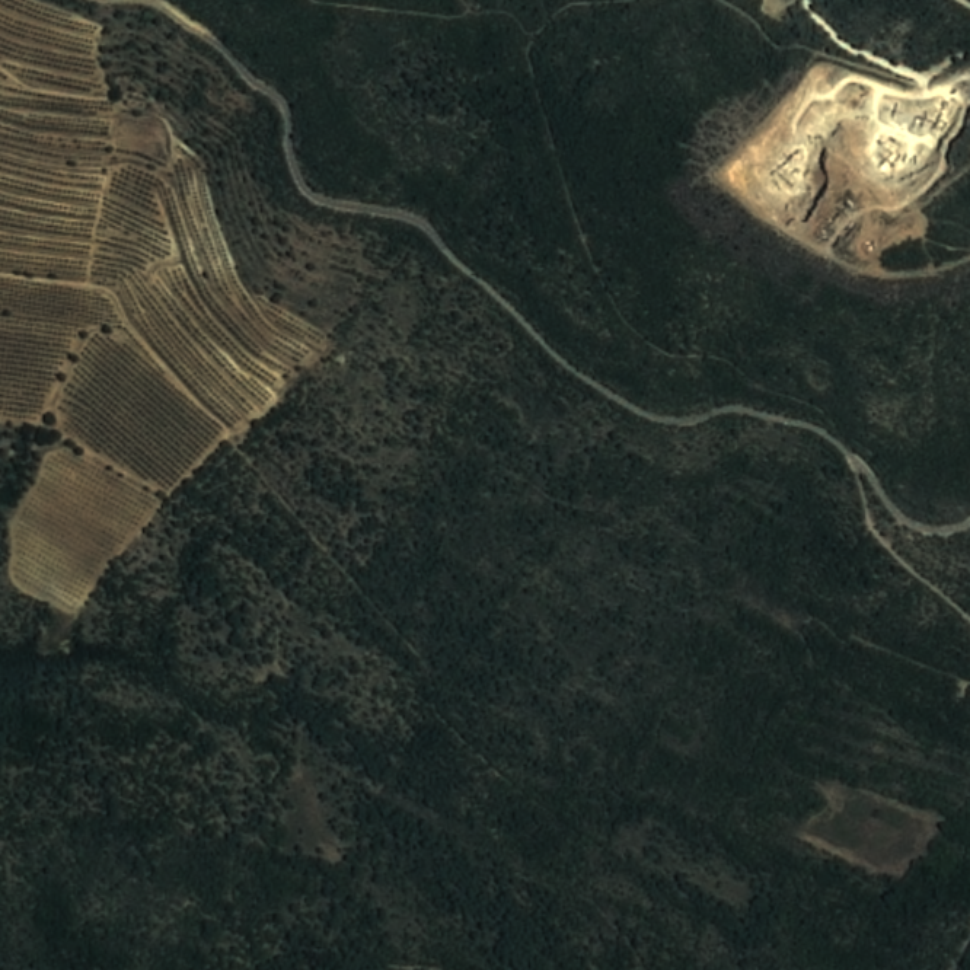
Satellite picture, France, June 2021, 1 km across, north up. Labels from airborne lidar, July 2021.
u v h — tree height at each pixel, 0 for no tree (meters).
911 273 0
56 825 6
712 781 6
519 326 6
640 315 8
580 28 9
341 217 7
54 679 12
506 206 9
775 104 0
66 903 6
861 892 8
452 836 15
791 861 9
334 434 8
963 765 6
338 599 7
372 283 6
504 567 11
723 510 8
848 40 7
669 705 6
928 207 0
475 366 6
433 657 7
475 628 6
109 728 6
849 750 7
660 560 6
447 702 8
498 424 6
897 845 0
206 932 12
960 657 9
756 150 0
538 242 7
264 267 0
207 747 12
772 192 0
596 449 9
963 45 10
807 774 5
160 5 0
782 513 12
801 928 7
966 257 0
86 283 0
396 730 8
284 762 7
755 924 9
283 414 7
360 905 7
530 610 0
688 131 6
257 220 12
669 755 6
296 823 0
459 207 11
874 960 5
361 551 9
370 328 7
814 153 0
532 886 11
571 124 7
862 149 0
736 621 6
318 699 12
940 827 9
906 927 10
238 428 0
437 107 7
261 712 11
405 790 6
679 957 6
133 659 7
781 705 7
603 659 9
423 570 8
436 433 7
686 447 7
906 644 10
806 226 0
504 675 10
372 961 14
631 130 7
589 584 0
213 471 13
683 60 0
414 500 6
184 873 6
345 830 6
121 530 0
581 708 8
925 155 0
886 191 0
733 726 6
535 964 17
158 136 0
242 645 13
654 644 8
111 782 14
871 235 0
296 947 8
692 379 7
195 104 6
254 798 12
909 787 6
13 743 10
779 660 7
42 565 0
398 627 7
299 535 8
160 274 0
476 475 7
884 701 6
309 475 11
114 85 7
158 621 6
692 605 7
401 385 9
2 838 7
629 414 7
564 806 6
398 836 15
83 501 0
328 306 0
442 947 7
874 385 10
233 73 5
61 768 7
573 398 6
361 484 9
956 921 12
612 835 6
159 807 11
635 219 8
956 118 0
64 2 8
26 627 5
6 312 8
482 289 7
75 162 7
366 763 13
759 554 9
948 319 8
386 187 8
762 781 6
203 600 11
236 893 6
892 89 0
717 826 6
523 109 8
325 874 14
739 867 9
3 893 6
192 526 12
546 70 6
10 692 15
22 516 0
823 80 0
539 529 9
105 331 12
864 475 8
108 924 6
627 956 6
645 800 6
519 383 6
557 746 6
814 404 9
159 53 7
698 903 12
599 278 7
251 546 8
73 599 0
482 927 17
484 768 8
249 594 9
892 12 7
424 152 0
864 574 11
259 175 9
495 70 8
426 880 7
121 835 9
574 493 11
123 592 8
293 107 10
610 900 7
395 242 7
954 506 0
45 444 11
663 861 7
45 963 7
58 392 0
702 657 6
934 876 6
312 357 0
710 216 7
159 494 10
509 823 9
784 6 0
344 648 0
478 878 11
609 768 6
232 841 14
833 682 7
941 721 7
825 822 0
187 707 6
